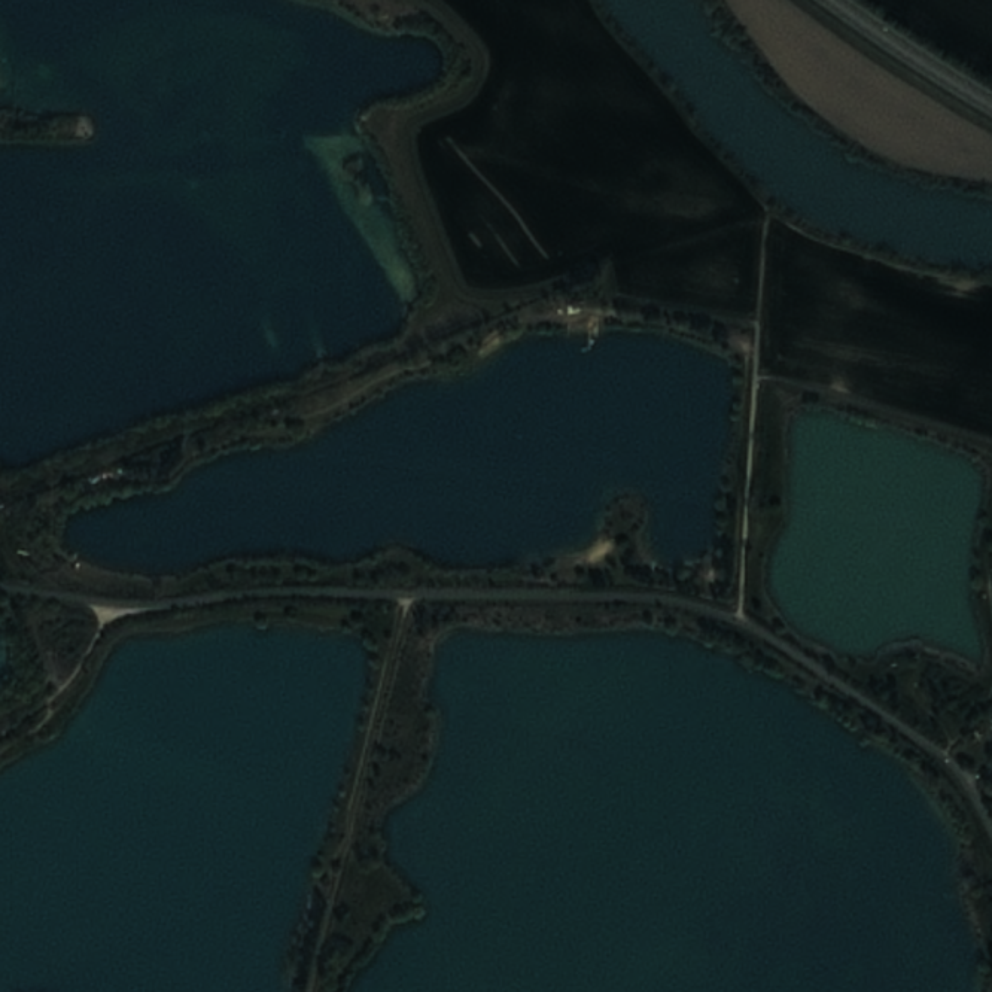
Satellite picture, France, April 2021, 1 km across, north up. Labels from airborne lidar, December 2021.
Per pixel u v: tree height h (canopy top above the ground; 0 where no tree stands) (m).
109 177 0
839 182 0
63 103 0
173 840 0
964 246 0
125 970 0
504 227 0
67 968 0
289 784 0
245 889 0
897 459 0
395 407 0
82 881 0
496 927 0
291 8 0
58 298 0
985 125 0
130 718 0
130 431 8
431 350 11
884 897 0
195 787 0
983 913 0
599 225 0
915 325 0
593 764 0
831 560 0
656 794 0
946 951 0
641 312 17
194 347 0
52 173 0
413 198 0
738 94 0
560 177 0
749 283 0
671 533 0
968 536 0
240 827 0
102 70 0
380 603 7
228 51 0
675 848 0
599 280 17
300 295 0
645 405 0
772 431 0
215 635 0
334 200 0
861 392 0
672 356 0
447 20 0
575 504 0
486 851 0
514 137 0
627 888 0
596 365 0
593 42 0
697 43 0
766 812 0
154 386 0
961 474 0
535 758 0
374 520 0
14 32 0
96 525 0
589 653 0
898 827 0
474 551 0
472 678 0
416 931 0
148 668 0
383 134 0
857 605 0
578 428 0
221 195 0
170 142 0
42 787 0
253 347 0
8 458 0
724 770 0
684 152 0
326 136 0
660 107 0
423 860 0
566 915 0
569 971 0
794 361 0
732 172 0
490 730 0
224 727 0
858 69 0
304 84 0
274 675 0
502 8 0
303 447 0
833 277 0
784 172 0
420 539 0
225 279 0
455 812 0
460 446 0
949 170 0
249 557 15
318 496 0
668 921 0
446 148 0
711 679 0
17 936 0
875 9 8
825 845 0
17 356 0
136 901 0
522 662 0
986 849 14
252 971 0
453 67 16
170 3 0
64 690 0
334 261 0
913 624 0
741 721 0
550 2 0
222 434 5
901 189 0
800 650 12
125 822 0
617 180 0
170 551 0
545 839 0
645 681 0
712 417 0
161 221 0
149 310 0
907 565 0
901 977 0
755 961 0
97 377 0
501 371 0
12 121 8
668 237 0
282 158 0
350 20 0
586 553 0
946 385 0
